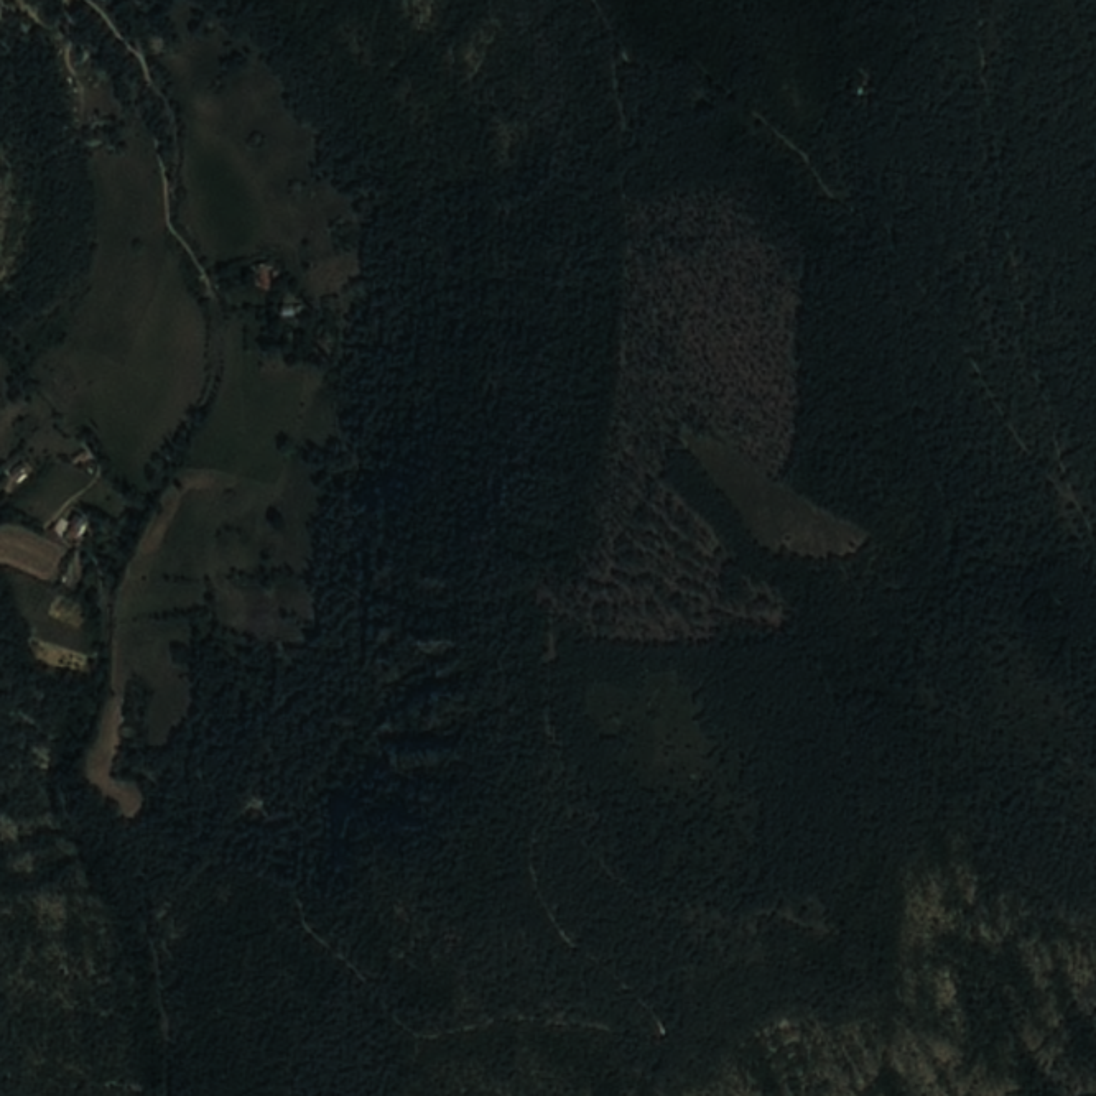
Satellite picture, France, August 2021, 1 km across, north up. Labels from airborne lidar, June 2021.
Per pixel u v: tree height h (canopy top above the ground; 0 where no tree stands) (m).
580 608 7
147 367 0
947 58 7
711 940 6
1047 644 12
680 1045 9
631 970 7
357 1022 7
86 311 0
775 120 9
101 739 0
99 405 0
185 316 0
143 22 11
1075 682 11
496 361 6
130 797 0
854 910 6
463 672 6
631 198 12
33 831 7
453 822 8
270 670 5
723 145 16
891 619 12
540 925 7
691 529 12
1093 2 9
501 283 7
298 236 0
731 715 10
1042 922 6
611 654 10
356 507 14
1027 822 9
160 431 0
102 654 10
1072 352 8
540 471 12
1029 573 8
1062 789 7
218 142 0
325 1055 7
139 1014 9
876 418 14
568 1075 5
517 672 6
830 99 8
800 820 8
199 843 14
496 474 7
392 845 7
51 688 12
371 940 8
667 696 0
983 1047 6
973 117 9
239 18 11
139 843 12
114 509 0
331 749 16
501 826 7
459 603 7
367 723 11
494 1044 8
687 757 0
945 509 17
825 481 13
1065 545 9
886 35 10
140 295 0
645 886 8
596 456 8
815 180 5
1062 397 11
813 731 11
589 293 7
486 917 9
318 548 8
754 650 16
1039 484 10
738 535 12
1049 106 8
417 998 6
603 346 6
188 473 0
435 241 6
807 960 8
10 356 10
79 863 10
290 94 9
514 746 8
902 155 9
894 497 8
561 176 7
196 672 13
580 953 9
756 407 19
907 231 7
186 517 0
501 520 10
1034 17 9
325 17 10
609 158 6
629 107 11
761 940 6
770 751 10
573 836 6
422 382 6
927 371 10
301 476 0
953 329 7
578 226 6
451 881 7
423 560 8
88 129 7
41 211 9
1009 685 6
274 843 14
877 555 6
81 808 17
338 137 10
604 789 7
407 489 7
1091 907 6
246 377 0
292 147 0
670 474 14
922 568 13
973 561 10
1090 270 11
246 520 0
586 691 8
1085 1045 7
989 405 7
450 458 10
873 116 10
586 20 10
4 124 12
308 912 7
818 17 12
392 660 7
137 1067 8
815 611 14
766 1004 7
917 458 14
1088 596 16
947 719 8
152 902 14
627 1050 9
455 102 8
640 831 8
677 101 11
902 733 16
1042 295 7
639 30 17
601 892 7
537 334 7
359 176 10
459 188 7
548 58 9
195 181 0
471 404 10
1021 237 10
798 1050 7
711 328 20
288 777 7
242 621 0
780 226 10
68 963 8
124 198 0
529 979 9
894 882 7
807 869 10
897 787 11
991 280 12
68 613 0
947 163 8
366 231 10
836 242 14
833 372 14
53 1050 7
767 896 9
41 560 0
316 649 13
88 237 9
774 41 7
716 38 11
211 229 0
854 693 11
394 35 5
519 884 8
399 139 5
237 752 12
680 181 14
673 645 9
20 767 7
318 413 0
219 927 6
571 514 8
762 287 19
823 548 0
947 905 6
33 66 17
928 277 9
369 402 10
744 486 0
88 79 0
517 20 9
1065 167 11
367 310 10
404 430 10
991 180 8
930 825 8
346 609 11
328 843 6
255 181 0
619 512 13
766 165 15
